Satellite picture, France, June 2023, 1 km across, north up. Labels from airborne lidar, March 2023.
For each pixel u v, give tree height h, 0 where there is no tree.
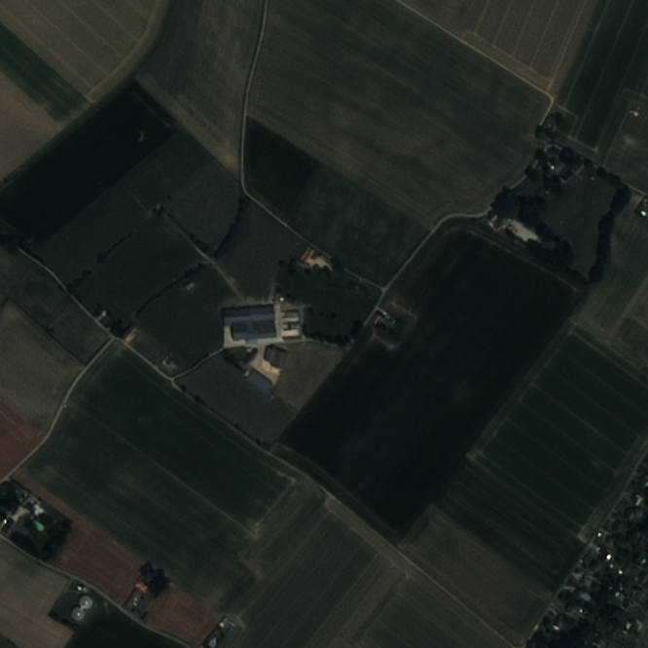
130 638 0
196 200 0
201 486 0
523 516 0
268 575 0
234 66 0
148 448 0
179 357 0
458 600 0
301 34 0
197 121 0
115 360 0
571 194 0
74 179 0
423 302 0
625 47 0
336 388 0
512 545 0
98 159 0
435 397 0
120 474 0
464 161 0
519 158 0
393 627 0
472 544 0
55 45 0
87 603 0
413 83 0
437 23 0
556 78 0
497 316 0
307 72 0
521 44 0
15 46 0
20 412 0
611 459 0
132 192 0
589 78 0
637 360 0
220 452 0
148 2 0
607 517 0
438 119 0
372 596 0
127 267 0
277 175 0
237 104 0
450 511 0
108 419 0
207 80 0
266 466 0
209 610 0
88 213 0
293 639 0
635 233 0
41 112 0
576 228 0
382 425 0
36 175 0
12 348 0
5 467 0
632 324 0
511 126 0
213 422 0
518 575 0
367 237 0
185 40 0
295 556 0
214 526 0
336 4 0
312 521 0
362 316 0
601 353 0
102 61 0
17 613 0
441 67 0
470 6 0
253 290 0
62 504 0
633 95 0
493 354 0
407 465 0
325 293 0
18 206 0
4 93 0
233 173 0
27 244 0
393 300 0
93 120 0
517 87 0
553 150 7
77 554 0
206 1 0
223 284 0
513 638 0
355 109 0
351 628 0
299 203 0
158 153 0
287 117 0
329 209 0
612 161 0
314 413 0
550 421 0
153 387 0
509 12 0
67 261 0
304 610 0
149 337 0
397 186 0
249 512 0
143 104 0
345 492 0
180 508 0
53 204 0
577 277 12
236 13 0
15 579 0
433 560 0
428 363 0
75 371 0
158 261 0
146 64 0
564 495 0
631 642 0
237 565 0
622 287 0
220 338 0
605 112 0
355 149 0
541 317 0
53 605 0
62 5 0
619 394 0
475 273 0
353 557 0
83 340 0
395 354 0
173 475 0
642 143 0
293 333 0
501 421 0
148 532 0
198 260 0
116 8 0
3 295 0
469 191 0
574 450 0
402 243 0
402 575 0
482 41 0
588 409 0
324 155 0
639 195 0
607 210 0
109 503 0
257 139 0
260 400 0
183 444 0
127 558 0
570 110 0
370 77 0
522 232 0
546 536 0
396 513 0
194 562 0
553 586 0
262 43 0
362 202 0
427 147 0
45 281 0
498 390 0
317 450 0
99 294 0
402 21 0
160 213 8
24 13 0
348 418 0
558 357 0
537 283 0
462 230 0
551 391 0
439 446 0
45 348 0
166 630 0
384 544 0
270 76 0
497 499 0
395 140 0
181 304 0
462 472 0
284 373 0
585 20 0
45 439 0
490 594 0
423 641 0
